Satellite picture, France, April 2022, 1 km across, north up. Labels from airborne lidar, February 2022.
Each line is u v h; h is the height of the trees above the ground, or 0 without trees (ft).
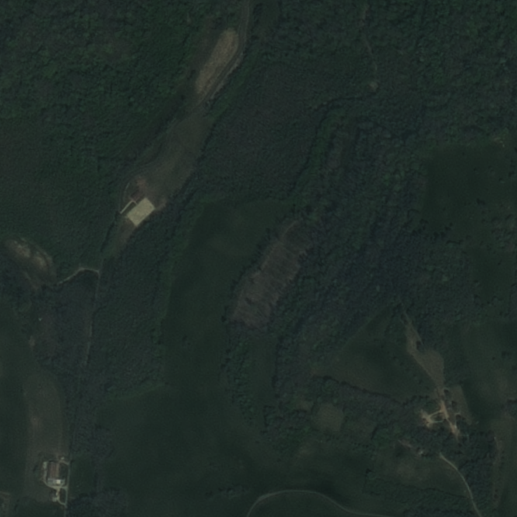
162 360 41
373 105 45
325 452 0
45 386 0
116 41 101
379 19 78
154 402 0
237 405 42
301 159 51
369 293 83
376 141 84
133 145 0
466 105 103
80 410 47
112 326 44
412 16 37
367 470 0
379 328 0
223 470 0
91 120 66
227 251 0
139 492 0
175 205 59
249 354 33
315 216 93
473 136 102
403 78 84
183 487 0
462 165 0
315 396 55
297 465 0
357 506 0
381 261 48
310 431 28
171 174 0
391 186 49
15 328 0
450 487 0
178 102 0
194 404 0
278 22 0
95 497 31
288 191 41
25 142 37
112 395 73
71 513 45
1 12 80
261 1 0
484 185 0
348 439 35
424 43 59
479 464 54
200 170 60
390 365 0
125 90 22
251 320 0
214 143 43
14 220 39
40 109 97
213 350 0
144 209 0
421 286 68
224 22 45
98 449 94
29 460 0
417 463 0
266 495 0
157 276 42
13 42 88
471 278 66
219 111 88
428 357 0
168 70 38
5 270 26
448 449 58
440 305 59
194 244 0
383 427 46
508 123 101
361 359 0
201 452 0
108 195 30
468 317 39
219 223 0
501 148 0
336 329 71
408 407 42
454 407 35
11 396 0
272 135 37
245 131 52
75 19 95
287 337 25
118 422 0
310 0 88
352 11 86
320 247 49
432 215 0
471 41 88
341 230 71
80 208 43
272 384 0
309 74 52
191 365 0
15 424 0
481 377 0
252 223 0
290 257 0
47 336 0
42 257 0
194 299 0
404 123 43
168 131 51
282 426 54
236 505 0
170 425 0
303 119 40
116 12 90
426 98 45
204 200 71
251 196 23
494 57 79
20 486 0
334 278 70
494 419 0
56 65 74
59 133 87
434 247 57
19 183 43
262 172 39
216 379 0
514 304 49
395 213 62
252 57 67
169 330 0
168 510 0
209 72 0
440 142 79
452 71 86
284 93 33
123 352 52
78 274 0
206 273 0
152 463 0
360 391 60
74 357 97
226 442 0
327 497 0
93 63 73
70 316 100
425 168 64
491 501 42
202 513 0
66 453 0
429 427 0
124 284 52
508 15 86
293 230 0
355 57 34
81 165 72
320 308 65
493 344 0
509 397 0
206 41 0
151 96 69
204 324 0
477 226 0
